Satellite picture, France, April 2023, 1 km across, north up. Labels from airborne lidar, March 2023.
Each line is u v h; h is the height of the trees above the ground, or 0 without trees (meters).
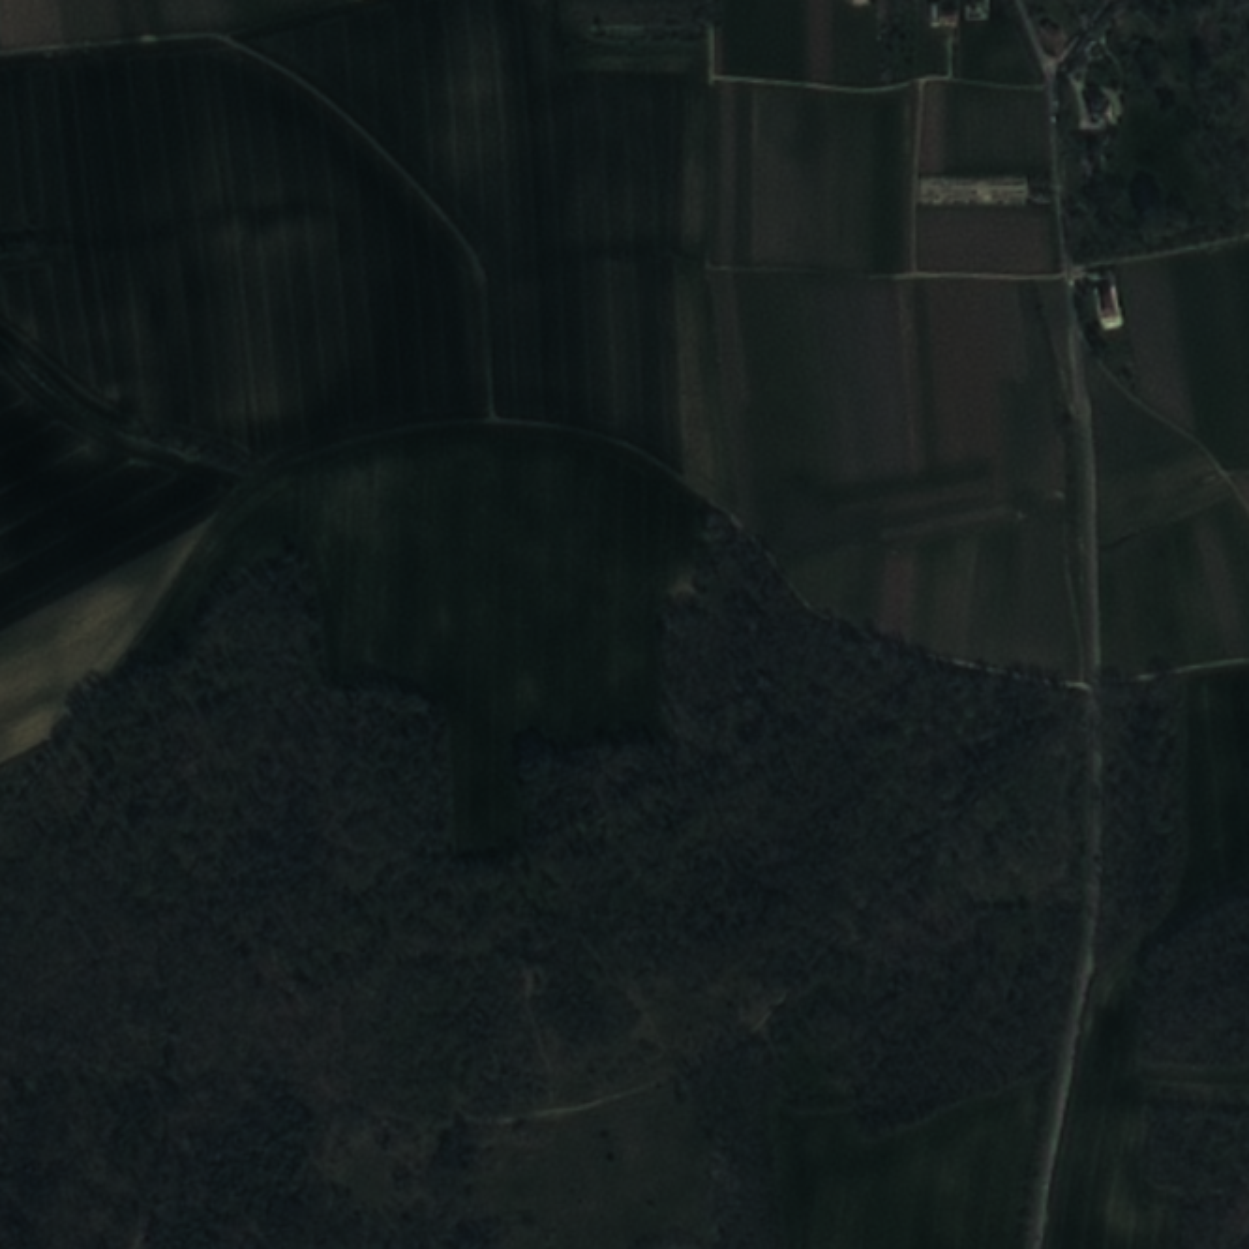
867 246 0
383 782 21
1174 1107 17
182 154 0
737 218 0
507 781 0
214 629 22
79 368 0
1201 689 0
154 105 0
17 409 0
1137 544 0
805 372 0
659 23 0
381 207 0
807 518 0
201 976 16
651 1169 0
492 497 0
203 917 24
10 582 0
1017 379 0
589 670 0
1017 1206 0
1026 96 0
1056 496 0
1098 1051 0
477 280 0
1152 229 20
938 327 0
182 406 0
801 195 0
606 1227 0
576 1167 0
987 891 18
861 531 0
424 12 0
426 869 16
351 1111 16
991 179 0
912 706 21
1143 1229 0
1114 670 0
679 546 0
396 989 22
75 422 0
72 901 23
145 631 0
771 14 0
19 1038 14
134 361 0
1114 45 0
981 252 0
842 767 18
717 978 15
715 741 13
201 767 18
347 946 16
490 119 0
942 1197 0
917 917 16
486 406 0
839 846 15
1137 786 22
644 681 0
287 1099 15
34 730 0
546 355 0
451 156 0
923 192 0
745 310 0
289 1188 14
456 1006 17
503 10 0
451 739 12
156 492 0
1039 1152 7
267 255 0
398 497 0
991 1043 18
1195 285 0
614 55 0
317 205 0
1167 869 13
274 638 22
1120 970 0
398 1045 19
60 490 0
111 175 0
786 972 10
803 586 0
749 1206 7
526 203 0
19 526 0
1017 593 0
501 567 0
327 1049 16
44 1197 20
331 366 0
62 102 0
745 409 0
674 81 0
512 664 0
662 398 0
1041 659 0
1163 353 0
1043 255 0
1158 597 0
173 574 0
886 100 0
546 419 0
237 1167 16
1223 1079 0
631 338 0
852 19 0
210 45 0
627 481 0
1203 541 0
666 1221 0
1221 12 21
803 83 0
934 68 0
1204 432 0
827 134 0
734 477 0
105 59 0
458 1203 12
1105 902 18
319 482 0
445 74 0
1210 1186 19
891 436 0
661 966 10
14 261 0
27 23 0
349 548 0
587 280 0
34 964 19
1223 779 0
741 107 0
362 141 0
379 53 0
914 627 0
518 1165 0
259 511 0
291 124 0
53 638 0
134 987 21
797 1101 6
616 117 0
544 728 0
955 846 15
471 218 0
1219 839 0
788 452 0
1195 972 17
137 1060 19
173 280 0
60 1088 22
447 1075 18
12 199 0
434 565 0
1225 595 0
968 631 0
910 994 17
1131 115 0
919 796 21
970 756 17
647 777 18
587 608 0
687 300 0
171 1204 23
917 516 0
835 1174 0
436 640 0
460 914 16
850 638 19
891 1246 0
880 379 0
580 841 14
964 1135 0
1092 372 0
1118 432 0
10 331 0
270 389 0
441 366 0
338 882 18
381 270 0
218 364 0
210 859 19
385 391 0
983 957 17
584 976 14
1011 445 0
